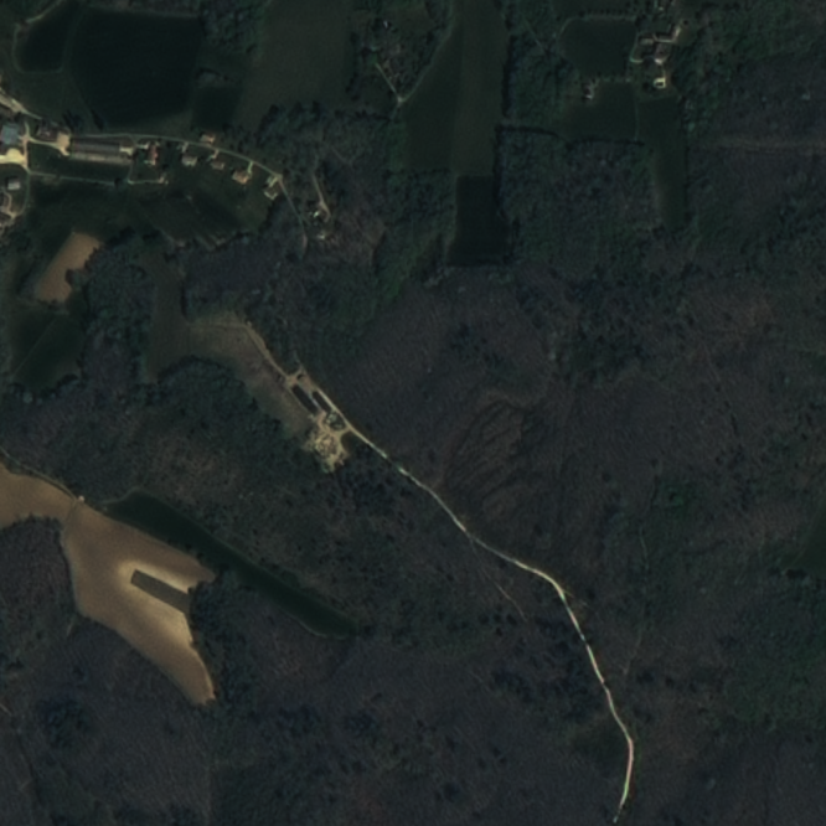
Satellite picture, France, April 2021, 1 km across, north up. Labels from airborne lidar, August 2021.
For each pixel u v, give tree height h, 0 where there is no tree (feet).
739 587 56
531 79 68
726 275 39
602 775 55
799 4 67
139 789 64
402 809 37
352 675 44
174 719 59
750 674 53
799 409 22
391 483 32
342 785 46
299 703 31
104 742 56
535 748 55
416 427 40
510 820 36
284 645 26
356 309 66
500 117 0
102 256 45
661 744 24
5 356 80
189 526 0
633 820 19
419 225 61
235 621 47
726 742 73
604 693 25
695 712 23
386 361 51
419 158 0
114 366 30
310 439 0
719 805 39
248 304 46
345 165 47
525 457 19
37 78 0
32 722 53
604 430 31
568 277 57
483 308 44
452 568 38
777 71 42
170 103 0
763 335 20
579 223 60
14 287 0
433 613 28
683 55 27
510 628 22
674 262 30
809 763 67
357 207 49
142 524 0
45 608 50
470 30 0
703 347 26
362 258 47
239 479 20
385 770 30
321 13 0
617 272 33
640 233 35
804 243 46
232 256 57
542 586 27
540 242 60
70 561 39
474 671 35
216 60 0
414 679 39
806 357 27
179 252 52
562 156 42
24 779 39
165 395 49
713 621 61
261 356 0
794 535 47
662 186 0
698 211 35
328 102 0
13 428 54
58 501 0
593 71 0
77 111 0
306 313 61
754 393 49
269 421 25
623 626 39
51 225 0
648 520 31
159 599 0
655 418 34
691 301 39
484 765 48
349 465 32
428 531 45
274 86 0
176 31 0
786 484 35
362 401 52
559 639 82
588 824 49
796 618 48
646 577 38
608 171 40
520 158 75
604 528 41
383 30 48
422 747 51
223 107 0
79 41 0
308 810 47
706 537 54
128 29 0
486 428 19
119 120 0
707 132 49
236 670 32
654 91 30
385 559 45
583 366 18
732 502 38
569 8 0
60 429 53
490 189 0
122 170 0
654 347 47
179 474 30
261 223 0
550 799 49
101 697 54
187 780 60
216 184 0
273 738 41
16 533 19
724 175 36
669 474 35
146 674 27
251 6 74
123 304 71
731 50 52
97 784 68
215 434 46
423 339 43
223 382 62
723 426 31
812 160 20
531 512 26
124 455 52
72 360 0
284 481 41
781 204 20
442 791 46
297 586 21
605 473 28
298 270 75
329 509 35
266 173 0
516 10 58
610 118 0
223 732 81
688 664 22
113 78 0
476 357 35
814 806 60
